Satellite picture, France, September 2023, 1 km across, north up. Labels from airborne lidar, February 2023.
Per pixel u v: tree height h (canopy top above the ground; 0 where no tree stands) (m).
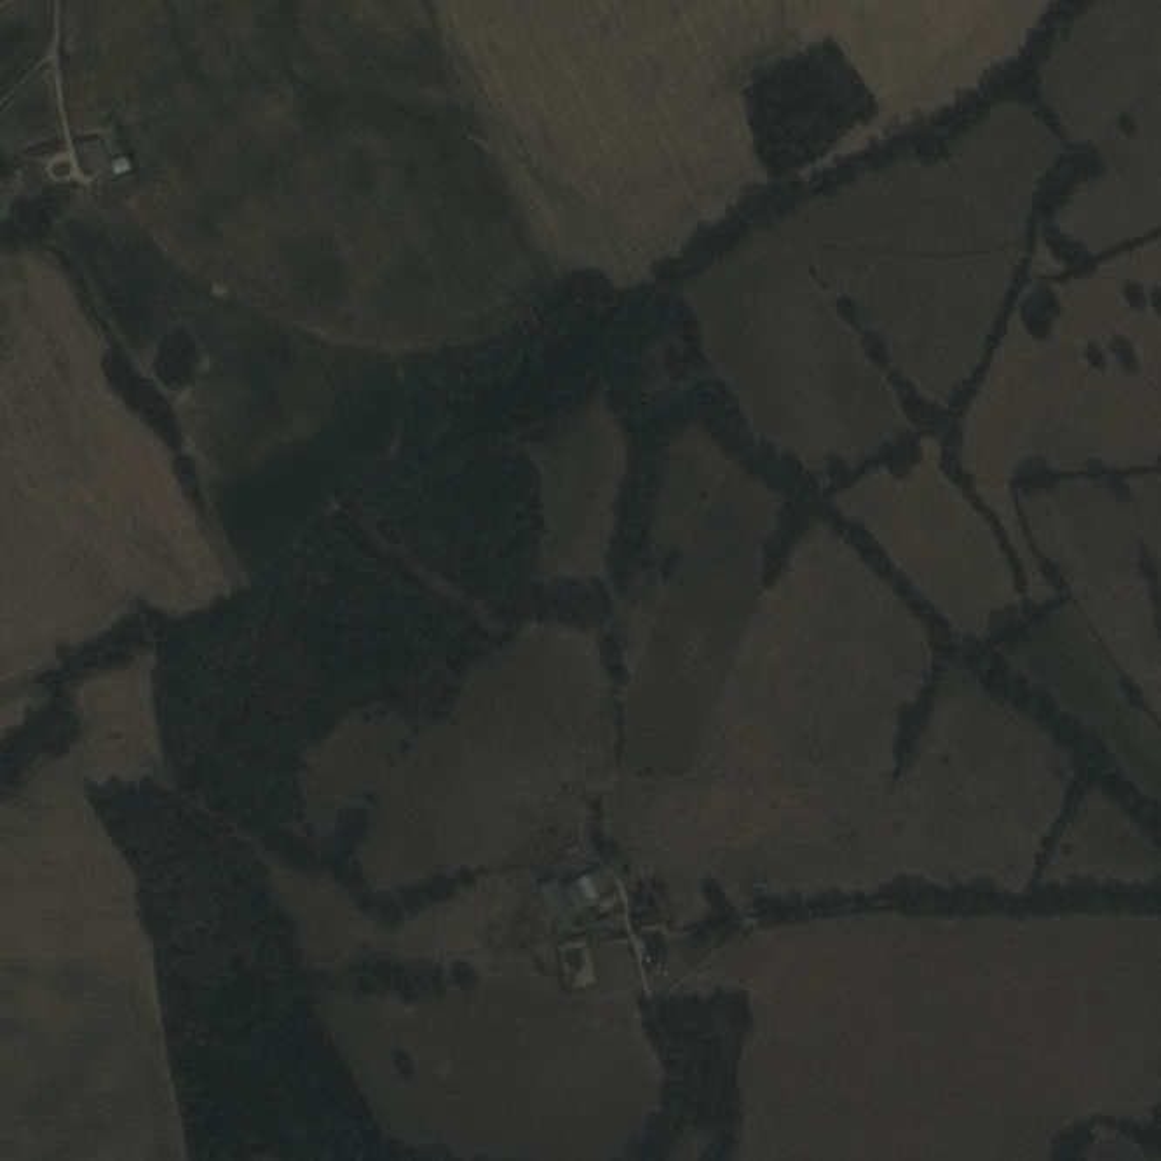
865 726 0
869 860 0
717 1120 15
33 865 0
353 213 0
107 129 0
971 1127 0
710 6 0
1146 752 0
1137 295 15
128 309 0
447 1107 0
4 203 0
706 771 0
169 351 11
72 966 0
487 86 0
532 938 0
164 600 0
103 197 0
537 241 0
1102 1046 0
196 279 0
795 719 0
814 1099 0
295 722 20
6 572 0
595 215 0
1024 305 0
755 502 0
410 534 19
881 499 0
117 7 0
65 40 0
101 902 0
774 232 0
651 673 0
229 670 21
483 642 11
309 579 18
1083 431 0
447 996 0
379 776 0
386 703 14
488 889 0
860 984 0
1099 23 0
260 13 0
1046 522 0
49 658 0
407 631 24
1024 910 12
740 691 0
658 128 0
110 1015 0
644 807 0
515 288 0
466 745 0
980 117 8
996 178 0
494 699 0
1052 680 0
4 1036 0
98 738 0
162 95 0
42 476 0
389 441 0
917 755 0
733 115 0
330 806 0
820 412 0
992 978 0
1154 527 0
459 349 0
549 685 0
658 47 0
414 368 0
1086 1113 0
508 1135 0
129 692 0
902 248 0
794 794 0
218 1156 14
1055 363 0
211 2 0
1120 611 0
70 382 0
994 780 0
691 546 0
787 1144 0
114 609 0
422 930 0
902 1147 0
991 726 0
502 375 16
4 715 0
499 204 0
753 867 0
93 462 0
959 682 0
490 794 0
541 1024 0
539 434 15
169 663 19
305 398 0
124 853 14
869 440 0
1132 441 0
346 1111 15
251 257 0
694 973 0
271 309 0
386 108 0
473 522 16
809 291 0
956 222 0
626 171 0
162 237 0
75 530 0
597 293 23
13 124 0
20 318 0
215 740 19
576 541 0
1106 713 0
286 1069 16
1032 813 0
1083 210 0
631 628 0
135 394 18
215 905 19
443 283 0
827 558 0
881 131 0
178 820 11
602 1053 0
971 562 0
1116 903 17
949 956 0
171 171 0
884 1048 0
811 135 13
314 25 0
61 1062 0
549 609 19
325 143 0
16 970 0
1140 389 0
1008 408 0
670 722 0
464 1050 0
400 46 0
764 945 0
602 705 0
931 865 0
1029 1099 0
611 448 0
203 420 0
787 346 0
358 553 14
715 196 0
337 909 0
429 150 0
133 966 0
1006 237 0
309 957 0
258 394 0
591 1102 0
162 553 0
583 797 0
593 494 0
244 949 17
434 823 0
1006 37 0
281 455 0
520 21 0
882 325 0
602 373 20
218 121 0
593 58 0
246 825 20
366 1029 0
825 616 0
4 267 0
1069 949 0
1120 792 21
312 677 22
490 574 20
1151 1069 0
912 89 0
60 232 0
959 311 0
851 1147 0
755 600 0
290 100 0
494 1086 0
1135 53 0
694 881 0
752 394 0
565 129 0
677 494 0
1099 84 0
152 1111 0
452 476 22
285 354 0
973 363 0
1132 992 0
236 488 0
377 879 0
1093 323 0
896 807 0
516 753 0
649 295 16
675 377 16
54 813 0
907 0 0
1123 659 0
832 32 0
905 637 0
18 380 0
